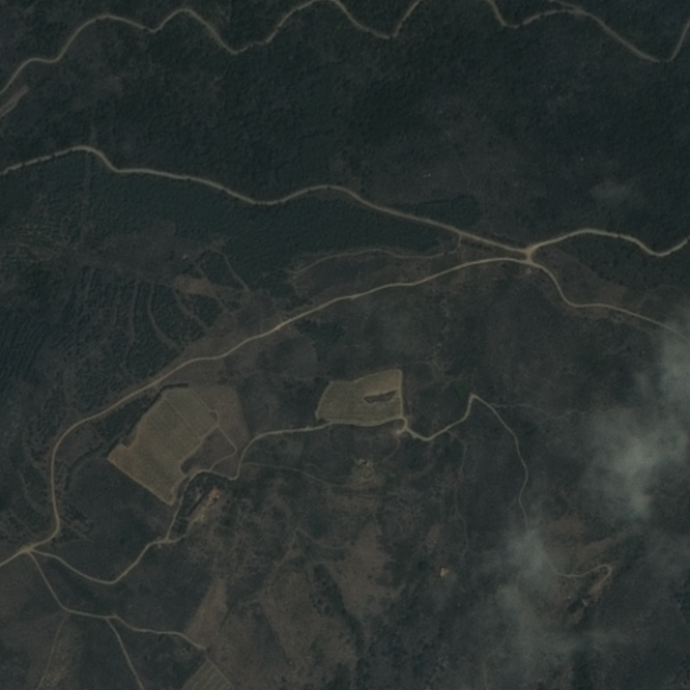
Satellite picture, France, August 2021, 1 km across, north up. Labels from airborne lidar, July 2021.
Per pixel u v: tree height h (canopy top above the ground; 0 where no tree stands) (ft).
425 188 0
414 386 0
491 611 0
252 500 0
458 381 0
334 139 26
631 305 0
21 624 0
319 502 0
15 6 22
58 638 0
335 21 20
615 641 0
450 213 22
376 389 0
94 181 24
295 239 23
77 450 0
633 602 0
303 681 0
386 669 0
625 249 18
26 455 0
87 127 20
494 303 0
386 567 0
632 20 23
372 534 0
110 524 0
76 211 19
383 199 0
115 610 0
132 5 30
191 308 19
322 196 0
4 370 24
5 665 0
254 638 0
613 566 0
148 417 0
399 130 21
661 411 0
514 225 0
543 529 0
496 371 0
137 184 19
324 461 0
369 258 0
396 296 0
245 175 25
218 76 28
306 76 28
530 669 0
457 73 27
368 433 0
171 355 20
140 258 0
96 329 23
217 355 0
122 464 0
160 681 0
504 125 20
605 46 22
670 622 0
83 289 19
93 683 0
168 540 0
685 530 0
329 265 0
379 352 0
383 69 27
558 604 0
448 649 0
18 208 24
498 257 0
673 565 0
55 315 0
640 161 21
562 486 0
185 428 0
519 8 29
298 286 0
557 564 0
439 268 0
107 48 18
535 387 0
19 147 27
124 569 0
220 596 0
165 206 21
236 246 18
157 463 0
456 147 21
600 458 0
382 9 23
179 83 20
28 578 0
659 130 36
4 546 0
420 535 0
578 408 0
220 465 0
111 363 23
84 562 0
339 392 0
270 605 0
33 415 0
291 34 21
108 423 18
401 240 21
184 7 0
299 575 0
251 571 0
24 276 19
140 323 20
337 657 0
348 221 22
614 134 26
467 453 0
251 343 0
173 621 0
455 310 0
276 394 0
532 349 0
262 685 0
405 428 0
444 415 0
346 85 26
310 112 29
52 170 21
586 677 20
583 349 0
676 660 0
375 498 0
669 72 26
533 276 0
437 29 22
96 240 31
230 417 0
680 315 0
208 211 21
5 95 0
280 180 26
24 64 0
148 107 31
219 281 26
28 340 23
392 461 0
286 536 0
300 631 0
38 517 18
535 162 19
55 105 24
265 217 32
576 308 0
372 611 0
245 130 25
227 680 0
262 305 0
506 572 0
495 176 0
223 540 0
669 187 19
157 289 24
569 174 0
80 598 0
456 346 0
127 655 0
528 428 26
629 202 20
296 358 0
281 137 23
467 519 0
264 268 21
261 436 0
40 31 23
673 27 23
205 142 27
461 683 0
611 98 24
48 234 24
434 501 0
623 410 0
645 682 0
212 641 0
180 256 0
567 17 18
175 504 0
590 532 0
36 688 0
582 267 0
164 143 22
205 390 0
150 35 23
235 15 31
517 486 0
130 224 21
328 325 23
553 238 0
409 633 0
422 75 26
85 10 21
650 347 0
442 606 0
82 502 0
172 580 0
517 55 36
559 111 18
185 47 18
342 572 0
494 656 0
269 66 24
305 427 0
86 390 19
